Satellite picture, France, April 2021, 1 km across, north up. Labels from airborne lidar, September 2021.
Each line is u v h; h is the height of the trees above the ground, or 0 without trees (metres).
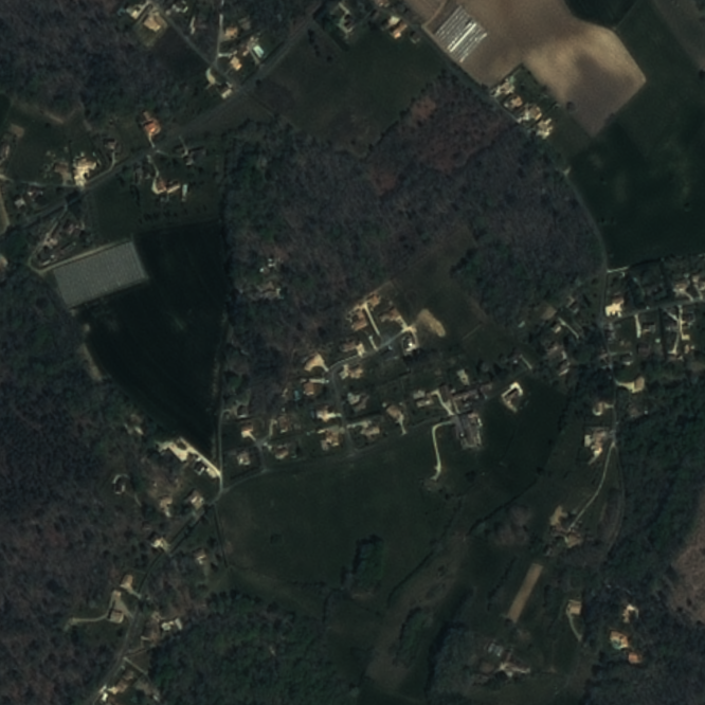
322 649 15
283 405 17
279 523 0
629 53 0
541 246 19
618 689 24
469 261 13
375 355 0
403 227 17
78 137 0
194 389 0
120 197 0
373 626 0
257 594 0
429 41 0
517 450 0
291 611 0
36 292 20
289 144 10
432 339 0
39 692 6
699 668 21
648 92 0
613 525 21
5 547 9
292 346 19
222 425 0
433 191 21
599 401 8
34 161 0
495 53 0
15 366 25
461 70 6
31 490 21
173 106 16
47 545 13
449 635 19
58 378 21
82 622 0
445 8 0
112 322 0
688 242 0
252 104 0
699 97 0
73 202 14
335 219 22
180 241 0
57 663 20
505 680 12
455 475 0
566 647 0
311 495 0
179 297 0
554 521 0
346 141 0
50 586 11
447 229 12
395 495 0
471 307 0
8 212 7
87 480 16
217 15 9
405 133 12
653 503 20
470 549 0
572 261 16
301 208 21
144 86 22
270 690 24
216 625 19
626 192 0
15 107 0
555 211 20
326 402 11
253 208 21
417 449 0
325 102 0
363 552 20
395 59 0
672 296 14
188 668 14
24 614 18
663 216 0
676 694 19
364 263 19
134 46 18
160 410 0
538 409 0
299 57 0
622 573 23
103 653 10
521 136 15
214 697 22
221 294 0
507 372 6
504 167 14
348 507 0
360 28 13
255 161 22
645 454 17
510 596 0
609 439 0
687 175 0
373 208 18
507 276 13
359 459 0
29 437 24
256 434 0
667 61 0
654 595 24
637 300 9
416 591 0
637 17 0
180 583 16
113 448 20
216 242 0
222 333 0
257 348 22
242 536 0
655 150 0
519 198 13
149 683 8
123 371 0
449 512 0
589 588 19
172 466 17
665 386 0
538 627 0
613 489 0
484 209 19
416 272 0
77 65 15
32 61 20
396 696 0
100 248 0
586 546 6
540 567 0
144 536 0
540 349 10
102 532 16
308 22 0
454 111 10
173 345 0
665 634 25
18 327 21
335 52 0
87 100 12
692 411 13
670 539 20
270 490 0
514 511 16
